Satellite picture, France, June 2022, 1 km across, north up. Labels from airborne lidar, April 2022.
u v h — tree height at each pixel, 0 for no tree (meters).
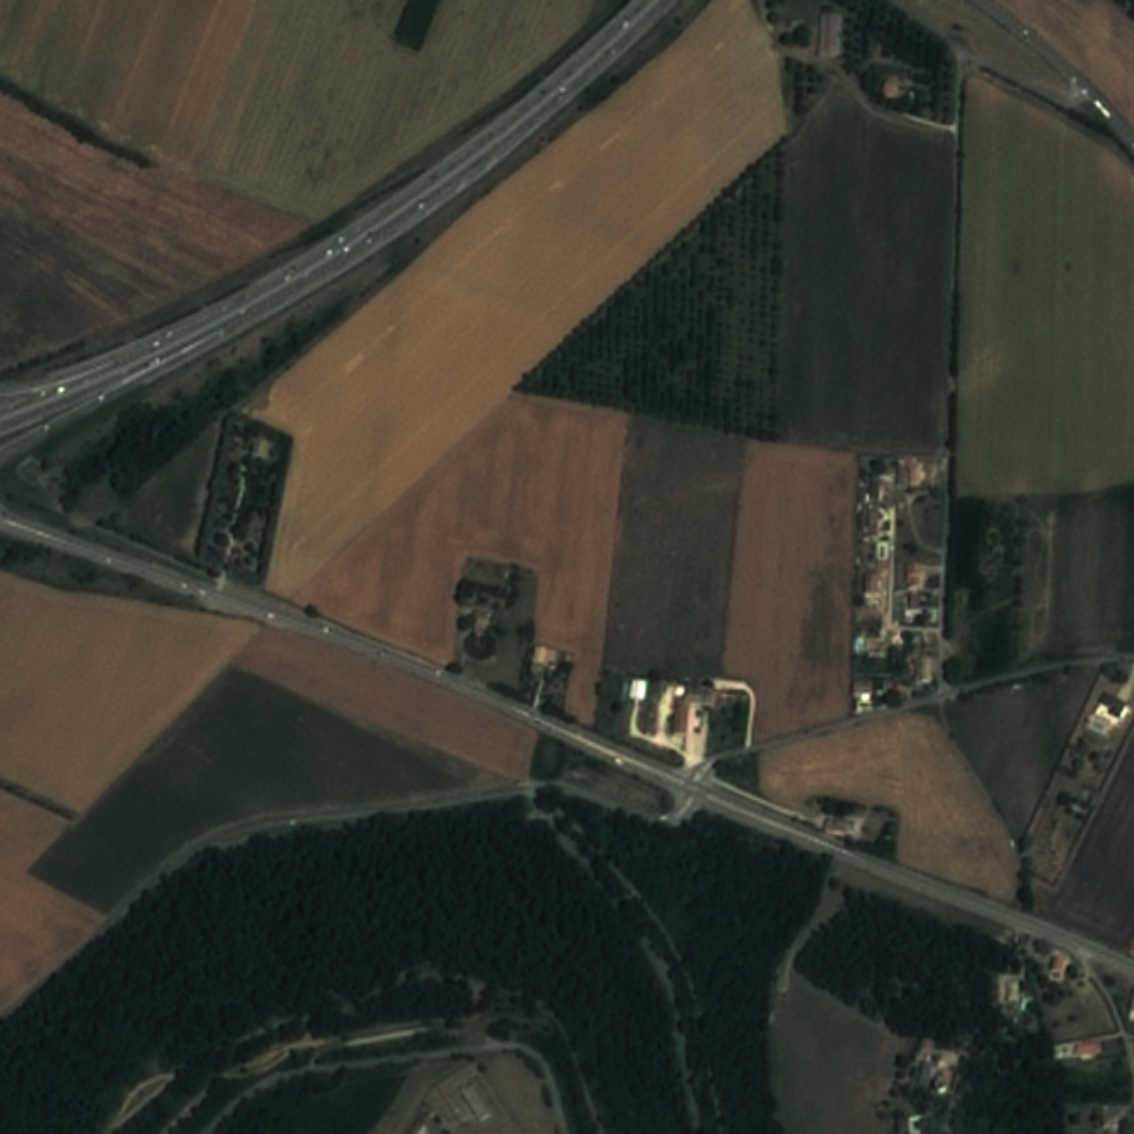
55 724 0
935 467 0
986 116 0
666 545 0
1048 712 0
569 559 0
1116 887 0
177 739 0
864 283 0
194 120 0
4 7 0
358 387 0
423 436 0
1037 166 0
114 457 22
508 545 0
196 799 0
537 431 0
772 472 0
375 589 0
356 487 0
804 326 0
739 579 0
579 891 18
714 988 12
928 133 0
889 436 0
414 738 0
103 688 0
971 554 7
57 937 0
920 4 0
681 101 0
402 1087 0
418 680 0
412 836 18
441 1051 0
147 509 0
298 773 0
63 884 0
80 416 0
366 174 0
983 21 0
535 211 0
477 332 0
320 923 18
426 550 0
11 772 0
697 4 0
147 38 0
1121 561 0
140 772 0
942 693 0
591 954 18
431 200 0
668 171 0
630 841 10
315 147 0
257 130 0
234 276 0
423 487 0
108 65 0
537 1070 6
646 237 0
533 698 6
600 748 0
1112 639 0
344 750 0
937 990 19
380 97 0
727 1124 10
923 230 0
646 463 0
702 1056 12
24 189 0
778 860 7
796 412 0
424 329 0
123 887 0
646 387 9
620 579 0
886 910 18
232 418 10
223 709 0
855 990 17
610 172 0
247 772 0
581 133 0
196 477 0
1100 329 0
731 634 0
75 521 0
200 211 0
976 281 0
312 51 0
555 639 0
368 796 0
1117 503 0
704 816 9
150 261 0
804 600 0
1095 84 0
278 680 0
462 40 0
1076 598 0
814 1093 0
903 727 0
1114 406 0
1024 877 7
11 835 0
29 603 0
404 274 0
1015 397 0
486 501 0
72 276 0
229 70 0
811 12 0
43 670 0
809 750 0
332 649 0
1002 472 0
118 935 15
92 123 0
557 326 0
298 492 0
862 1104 0
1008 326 0
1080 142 0
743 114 0
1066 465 0
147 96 0
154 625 0
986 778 0
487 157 0
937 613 0
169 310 0
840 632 0
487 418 0
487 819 8
